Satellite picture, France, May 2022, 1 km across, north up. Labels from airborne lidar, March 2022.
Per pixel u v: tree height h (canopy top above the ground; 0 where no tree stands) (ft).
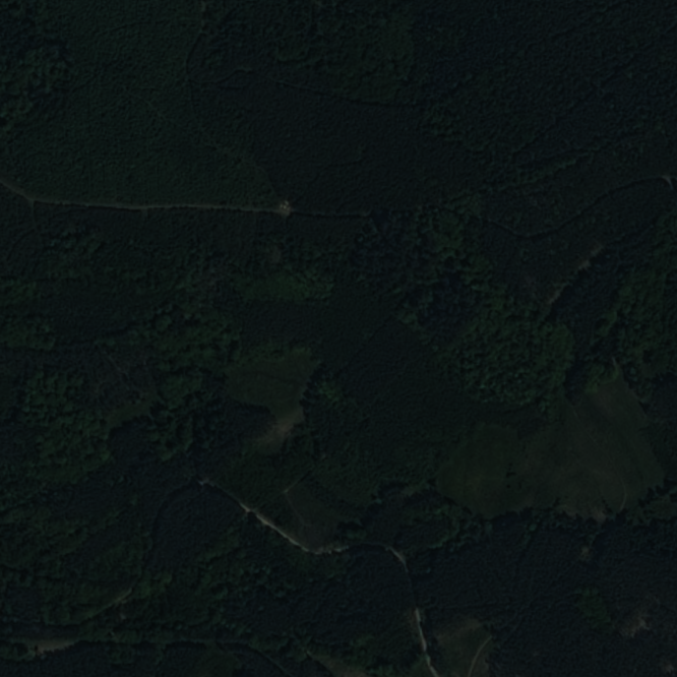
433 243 93
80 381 60
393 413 38
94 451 61
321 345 48
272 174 37
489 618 88
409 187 46
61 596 65
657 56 52
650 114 71
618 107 68
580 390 87
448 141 40
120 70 38
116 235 36
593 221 51
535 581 90
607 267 94
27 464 71
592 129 61
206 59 40
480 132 59
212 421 99
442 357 41
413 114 42
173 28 25
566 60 62
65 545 89
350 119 53
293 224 40
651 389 74
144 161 21
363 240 78
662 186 72
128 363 74
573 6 60
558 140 57
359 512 40
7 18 46
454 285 142
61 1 33
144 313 53
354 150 36
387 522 76
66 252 70
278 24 37
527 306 67
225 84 30
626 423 0
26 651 87
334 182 54
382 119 51
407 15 46
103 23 26
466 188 34
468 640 0
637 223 79
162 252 23
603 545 75
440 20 76
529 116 60
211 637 57
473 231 80
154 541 104
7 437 78
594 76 56
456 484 0
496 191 60
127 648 68
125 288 48
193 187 19
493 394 68
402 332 70
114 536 88
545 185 66
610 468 0
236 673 0
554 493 0
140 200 18
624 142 64
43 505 85
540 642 96
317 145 36
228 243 19
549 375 86
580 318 107
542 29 72
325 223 41
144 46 28
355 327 53
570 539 94
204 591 42
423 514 95
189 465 104
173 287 44
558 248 72
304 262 60
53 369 69
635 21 56
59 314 45
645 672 80
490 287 83
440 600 103
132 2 28
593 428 0
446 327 148
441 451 47
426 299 110
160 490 108
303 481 35
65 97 38
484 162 31
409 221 102
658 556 89
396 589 102
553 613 91
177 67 28
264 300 65
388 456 37
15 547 45
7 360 88
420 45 55
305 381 0
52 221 26
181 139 29
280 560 76
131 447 79
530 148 65
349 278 56
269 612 100
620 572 86
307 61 46
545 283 60
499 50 66
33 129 27
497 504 0
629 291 97
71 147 20
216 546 93
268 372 0
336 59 39
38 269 40
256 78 48
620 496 0
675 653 74
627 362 45
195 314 72
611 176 67
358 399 69
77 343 72
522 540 81
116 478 86
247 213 21
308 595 97
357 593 99
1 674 73
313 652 94
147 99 25
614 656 94
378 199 47
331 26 44
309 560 58
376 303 45
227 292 79
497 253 63
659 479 0
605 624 73
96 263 54
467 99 62
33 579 69
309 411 52
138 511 92
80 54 30
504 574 98
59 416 78
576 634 80
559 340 108
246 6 34
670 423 65
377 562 103
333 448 46
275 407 0
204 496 102
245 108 32
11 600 70
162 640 69
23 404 64
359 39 38
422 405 33
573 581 85
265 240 44
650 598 79
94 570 76
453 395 35
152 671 82
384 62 54
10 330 66
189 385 110
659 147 66
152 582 83
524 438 22
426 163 46
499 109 50
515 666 88
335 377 74
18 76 94
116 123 30
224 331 70
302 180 37
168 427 54
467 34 74
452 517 80
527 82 62
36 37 37
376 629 96
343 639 106
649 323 77
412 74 53
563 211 67
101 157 27
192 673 47
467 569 109
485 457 0
